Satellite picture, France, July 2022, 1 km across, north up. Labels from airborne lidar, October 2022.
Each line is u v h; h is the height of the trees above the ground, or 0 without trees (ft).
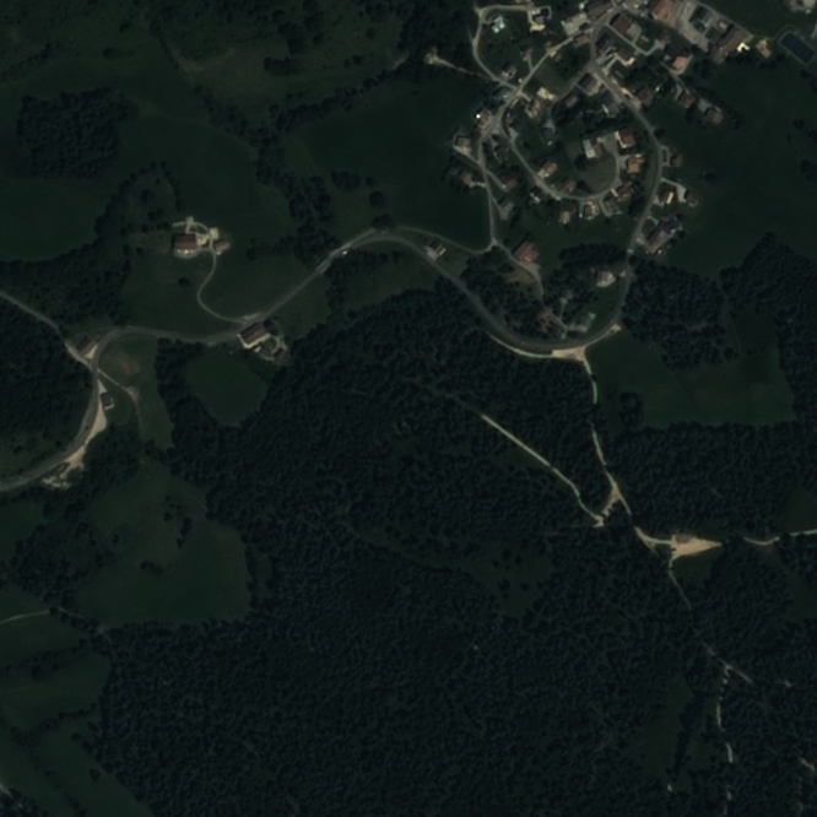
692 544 0
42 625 0
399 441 81
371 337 95
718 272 0
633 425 82
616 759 66
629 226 0
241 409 0
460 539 24
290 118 69
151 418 0
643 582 24
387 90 0
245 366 0
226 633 99
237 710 50
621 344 0
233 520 54
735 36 0
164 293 0
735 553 107
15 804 98
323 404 78
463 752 77
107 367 0
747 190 0
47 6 0
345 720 26
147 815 0
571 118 47
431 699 41
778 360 0
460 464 85
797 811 30
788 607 95
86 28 0
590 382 30
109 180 0
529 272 0
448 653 73
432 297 66
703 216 0
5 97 0
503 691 66
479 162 0
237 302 0
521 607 0
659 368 0
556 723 34
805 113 0
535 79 0
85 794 0
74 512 68
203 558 0
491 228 0
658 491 67
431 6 79
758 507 78
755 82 0
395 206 0
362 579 84
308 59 0
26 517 0
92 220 0
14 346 84
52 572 68
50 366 54
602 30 0
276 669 37
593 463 34
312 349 27
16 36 0
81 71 0
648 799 43
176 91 0
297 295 0
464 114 0
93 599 0
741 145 0
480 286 81
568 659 22
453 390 93
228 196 0
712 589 71
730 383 0
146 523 0
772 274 73
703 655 70
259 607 57
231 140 0
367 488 76
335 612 99
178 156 0
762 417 0
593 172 0
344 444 58
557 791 29
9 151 0
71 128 49
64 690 0
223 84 0
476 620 74
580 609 91
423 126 0
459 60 40
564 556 75
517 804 46
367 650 71
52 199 0
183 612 0
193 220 0
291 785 83
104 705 61
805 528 0
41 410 35
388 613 89
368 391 89
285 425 83
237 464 74
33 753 22
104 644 97
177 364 49
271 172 53
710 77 64
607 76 0
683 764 56
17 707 0
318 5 41
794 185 0
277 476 74
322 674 78
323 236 38
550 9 0
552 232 0
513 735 78
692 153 0
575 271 25
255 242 29
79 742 40
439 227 0
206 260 0
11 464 0
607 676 61
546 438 28
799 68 0
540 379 68
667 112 0
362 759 31
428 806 82
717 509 105
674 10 0
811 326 75
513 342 0
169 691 77
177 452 44
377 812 30
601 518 0
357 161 0
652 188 0
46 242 0
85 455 0
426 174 0
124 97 34
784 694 54
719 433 83
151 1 18
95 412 0
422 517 51
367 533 57
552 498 22
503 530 68
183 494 0
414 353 61
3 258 0
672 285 88
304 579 102
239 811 70
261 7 52
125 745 51
